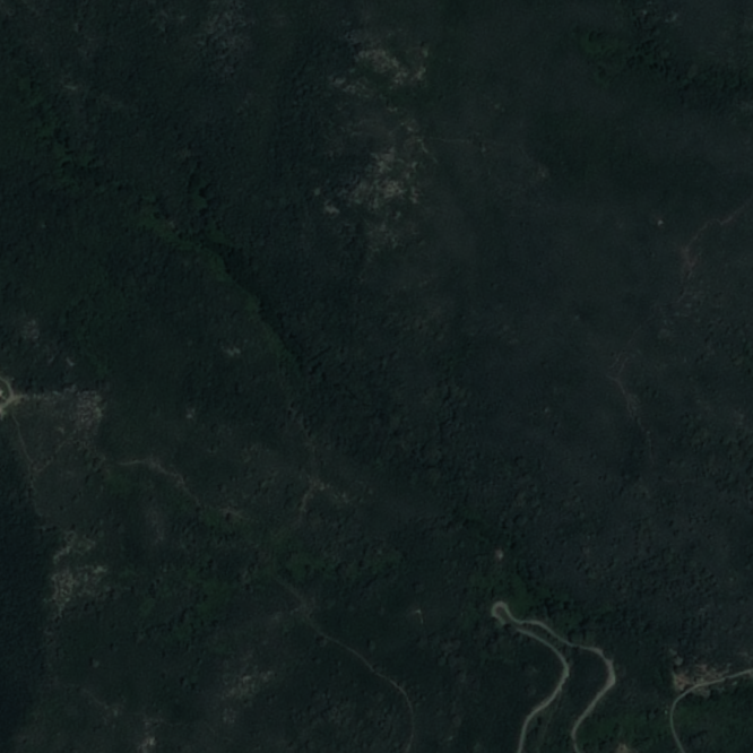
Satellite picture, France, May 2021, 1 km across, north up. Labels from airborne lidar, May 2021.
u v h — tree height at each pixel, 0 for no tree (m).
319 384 11
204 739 0
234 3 9
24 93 9
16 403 0
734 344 7
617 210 0
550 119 8
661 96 7
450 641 13
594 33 12
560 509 8
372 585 9
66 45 7
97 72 10
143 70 10
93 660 12
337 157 7
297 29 6
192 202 19
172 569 10
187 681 14
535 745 14
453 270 10
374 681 6
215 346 9
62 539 7
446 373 7
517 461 13
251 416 9
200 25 9
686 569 10
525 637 6
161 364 5
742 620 10
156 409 12
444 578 7
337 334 7
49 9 7
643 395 7
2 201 12
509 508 10
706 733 12
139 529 5
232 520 17
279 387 6
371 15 0
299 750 7
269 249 6
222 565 6
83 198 11
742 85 16
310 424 10
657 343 6
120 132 6
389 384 13
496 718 6
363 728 5
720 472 7
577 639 18
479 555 11
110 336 9
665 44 6
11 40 8
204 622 12
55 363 7
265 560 11
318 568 8
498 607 0
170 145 8
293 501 13
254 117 6
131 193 27
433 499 5
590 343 0
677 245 0
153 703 7
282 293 7
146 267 7
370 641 13
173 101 7
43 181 15
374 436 9
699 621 7
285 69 8
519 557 9
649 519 7
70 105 8
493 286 9
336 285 8
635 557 9
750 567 8
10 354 10
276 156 11
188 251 9
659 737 9
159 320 8
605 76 8
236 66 9
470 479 8
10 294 13
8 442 8
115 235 12
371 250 7
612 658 10
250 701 10
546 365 9
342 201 6
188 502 6
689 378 8
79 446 13
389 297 7
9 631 9
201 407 7
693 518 7
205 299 9
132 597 5
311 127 7
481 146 7
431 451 20
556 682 5
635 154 6
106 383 15
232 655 7
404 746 10
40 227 8
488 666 6
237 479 8
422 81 10
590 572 12
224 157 7
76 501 9
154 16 7
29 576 12
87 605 12
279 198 9
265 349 5
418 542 14
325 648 5
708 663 7
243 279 18
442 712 9
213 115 6
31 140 12
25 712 12
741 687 13
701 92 14
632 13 7
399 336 10
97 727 8
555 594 7
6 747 5
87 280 9
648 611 6
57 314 8
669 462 7
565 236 0
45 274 8
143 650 5
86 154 8
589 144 5
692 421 11
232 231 9
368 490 8
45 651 8
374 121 0
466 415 6
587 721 7
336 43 6
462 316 10
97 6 7
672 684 10
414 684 7
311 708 12
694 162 6
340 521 10
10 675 8
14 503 8
